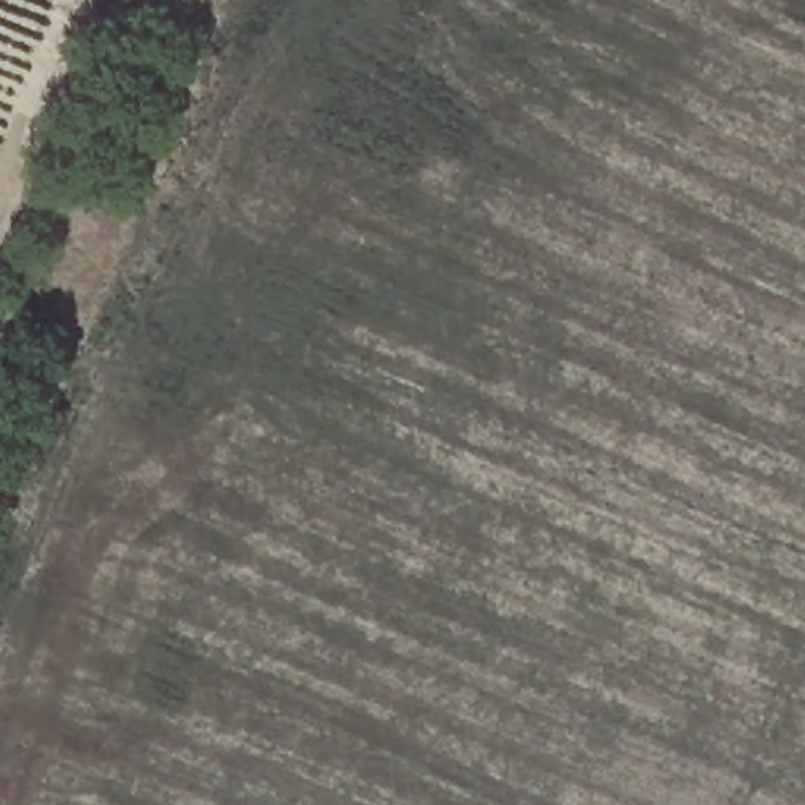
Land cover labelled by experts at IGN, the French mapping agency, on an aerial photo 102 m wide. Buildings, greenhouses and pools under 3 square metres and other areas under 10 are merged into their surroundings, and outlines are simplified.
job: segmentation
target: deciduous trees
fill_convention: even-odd
[[[82,31],[91,66],[79,75],[66,69],[66,75],[72,79],[72,91],[53,116],[53,148],[47,157],[50,179],[44,186],[44,195],[63,201],[63,208],[72,214],[75,208],[82,208],[113,217],[135,217],[138,208],[145,208],[148,192],[157,189],[154,167],[164,154],[170,154],[167,142],[186,123],[186,113],[167,107],[160,94],[151,94],[151,85],[164,79],[170,88],[192,88],[198,57],[211,57],[208,31],[214,28],[214,13],[208,0],[85,0],[85,6],[97,19]]]
[[[69,239],[69,220],[44,208],[28,208],[22,201],[22,208],[13,214],[9,233],[0,242],[0,597],[9,597],[19,588],[25,563],[31,557],[25,544],[16,541],[13,509],[19,506],[19,494],[28,484],[44,481],[44,465],[63,447],[63,437],[69,437],[75,428],[75,409],[69,406],[60,387],[72,374],[82,327],[75,318],[75,296],[50,283],[50,274],[63,258],[63,245]]]

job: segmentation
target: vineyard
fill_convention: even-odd
[[[66,69],[79,75],[91,66],[82,31],[97,19],[85,6],[85,0],[0,0],[0,242],[9,233],[13,214],[22,208],[22,201],[28,208],[44,208],[69,220],[72,214],[63,208],[63,201],[44,195],[44,186],[50,179],[47,157],[53,148],[53,116],[72,91],[72,79],[66,75]]]

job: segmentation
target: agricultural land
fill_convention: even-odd
[[[69,437],[63,437],[63,447],[44,465],[44,481],[28,484],[19,494],[19,506],[13,509],[16,541],[25,544],[31,557],[25,563],[19,588],[9,597],[0,597],[0,805],[805,805],[805,0],[208,0],[214,13],[214,28],[208,31],[211,57],[198,57],[192,88],[170,88],[164,79],[151,85],[151,94],[160,94],[167,107],[186,113],[186,123],[167,142],[170,154],[164,154],[154,167],[157,189],[148,192],[145,208],[138,208],[135,217],[113,217],[82,208],[75,208],[72,214],[69,220],[69,239],[63,245],[63,258],[50,274],[50,283],[75,296],[75,318],[82,327],[72,374],[60,387],[69,406],[75,409],[75,428]]]

